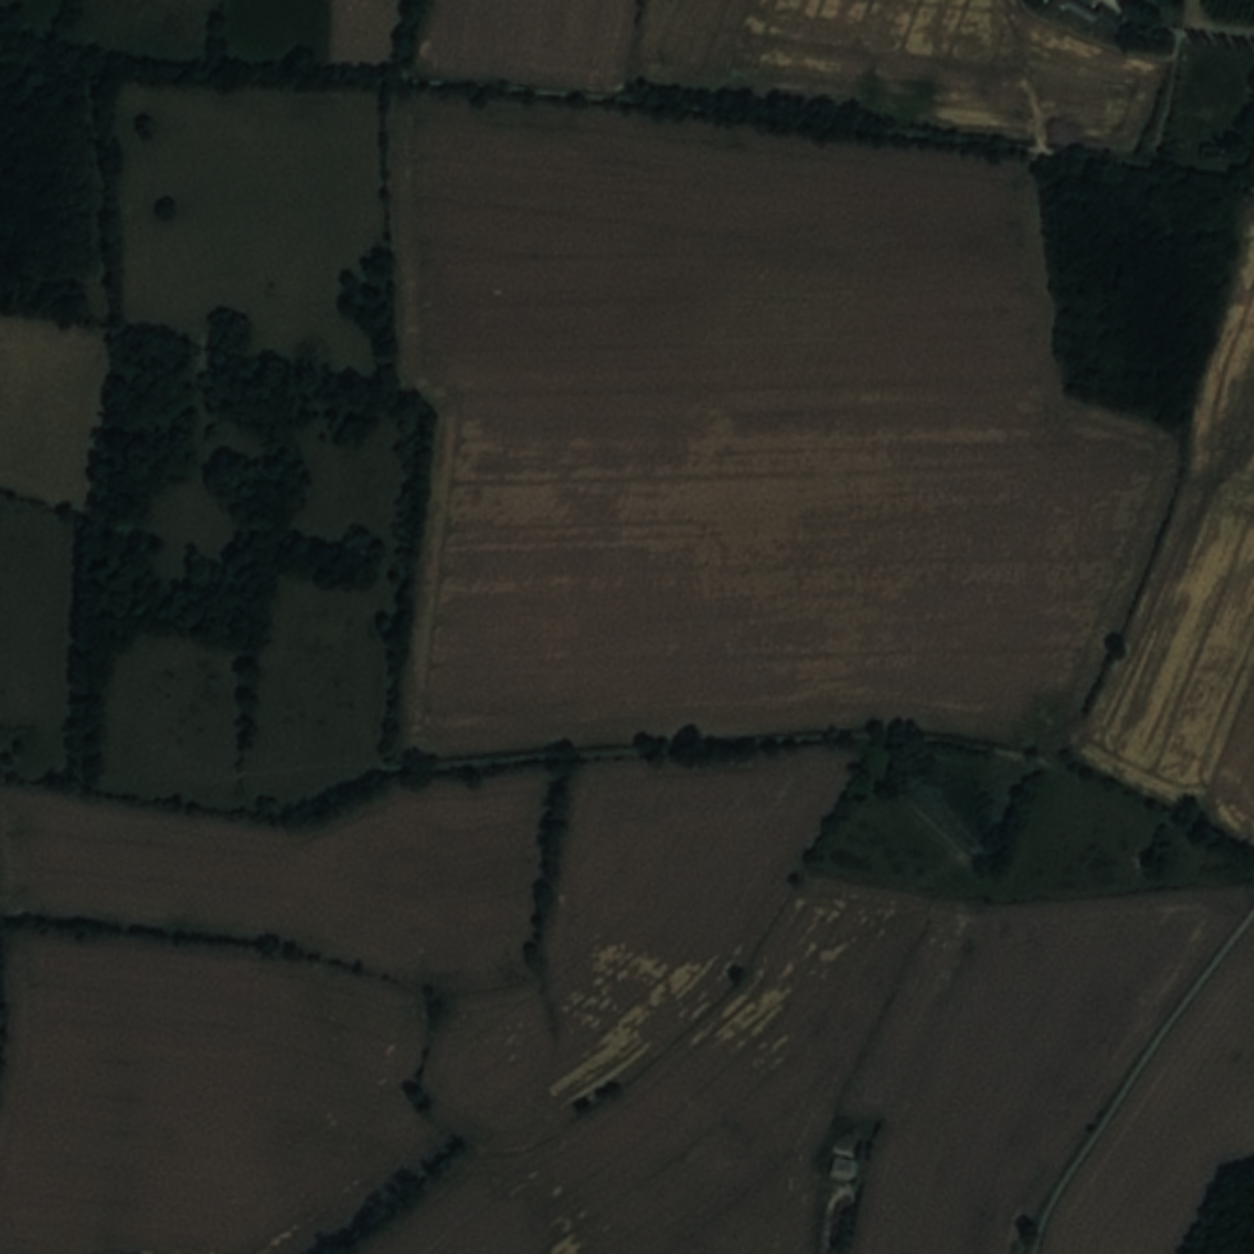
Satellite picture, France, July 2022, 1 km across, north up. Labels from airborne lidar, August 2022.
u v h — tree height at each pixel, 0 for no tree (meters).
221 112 0
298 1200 0
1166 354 21
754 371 0
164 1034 0
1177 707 0
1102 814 0
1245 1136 0
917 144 9
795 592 0
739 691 0
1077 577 0
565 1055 0
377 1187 0
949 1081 0
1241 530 0
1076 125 0
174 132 0
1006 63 0
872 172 0
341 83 8
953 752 8
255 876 0
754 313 0
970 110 0
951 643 0
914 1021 0
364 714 0
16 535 0
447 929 0
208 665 0
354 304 15
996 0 0
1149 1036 0
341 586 13
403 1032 0
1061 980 0
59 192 19
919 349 0
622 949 0
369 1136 0
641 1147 0
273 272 0
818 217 0
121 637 16
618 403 0
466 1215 0
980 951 0
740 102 14
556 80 0
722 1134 0
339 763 0
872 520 0
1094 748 0
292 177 0
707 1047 0
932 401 0
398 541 6
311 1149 0
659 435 0
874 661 0
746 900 0
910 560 0
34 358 0
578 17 0
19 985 0
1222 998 0
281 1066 0
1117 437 0
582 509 0
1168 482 0
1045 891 0
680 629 0
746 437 0
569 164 0
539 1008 0
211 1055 0
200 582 14
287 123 0
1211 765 0
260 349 0
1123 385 10
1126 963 0
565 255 0
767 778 0
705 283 0
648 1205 0
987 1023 0
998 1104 0
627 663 0
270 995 0
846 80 0
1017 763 0
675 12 0
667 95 10
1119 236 18
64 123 19
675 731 0
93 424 0
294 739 0
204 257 0
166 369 19
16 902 0
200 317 0
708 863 0
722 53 0
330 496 0
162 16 0
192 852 0
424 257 0
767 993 0
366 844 0
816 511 0
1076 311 14
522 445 0
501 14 0
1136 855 0
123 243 15
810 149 0
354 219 0
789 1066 0
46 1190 0
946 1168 0
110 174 17
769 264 0
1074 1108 0
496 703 0
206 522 0
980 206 0
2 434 0
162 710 0
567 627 0
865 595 0
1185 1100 0
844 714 0
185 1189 0
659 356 0
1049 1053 0
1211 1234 16
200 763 0
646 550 0
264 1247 0
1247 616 0
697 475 0
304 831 16
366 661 0
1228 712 0
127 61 13
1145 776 0
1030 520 0
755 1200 0
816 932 0
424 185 0
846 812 9
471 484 0
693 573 0
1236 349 0
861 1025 0
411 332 0
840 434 0
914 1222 0
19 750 11
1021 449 0
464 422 0
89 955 0
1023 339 0
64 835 0
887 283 0
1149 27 15
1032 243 0
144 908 0
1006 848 15
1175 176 11
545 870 14
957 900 0
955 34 0
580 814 0
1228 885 0
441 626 0
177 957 0
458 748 0
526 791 0
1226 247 12
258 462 8
